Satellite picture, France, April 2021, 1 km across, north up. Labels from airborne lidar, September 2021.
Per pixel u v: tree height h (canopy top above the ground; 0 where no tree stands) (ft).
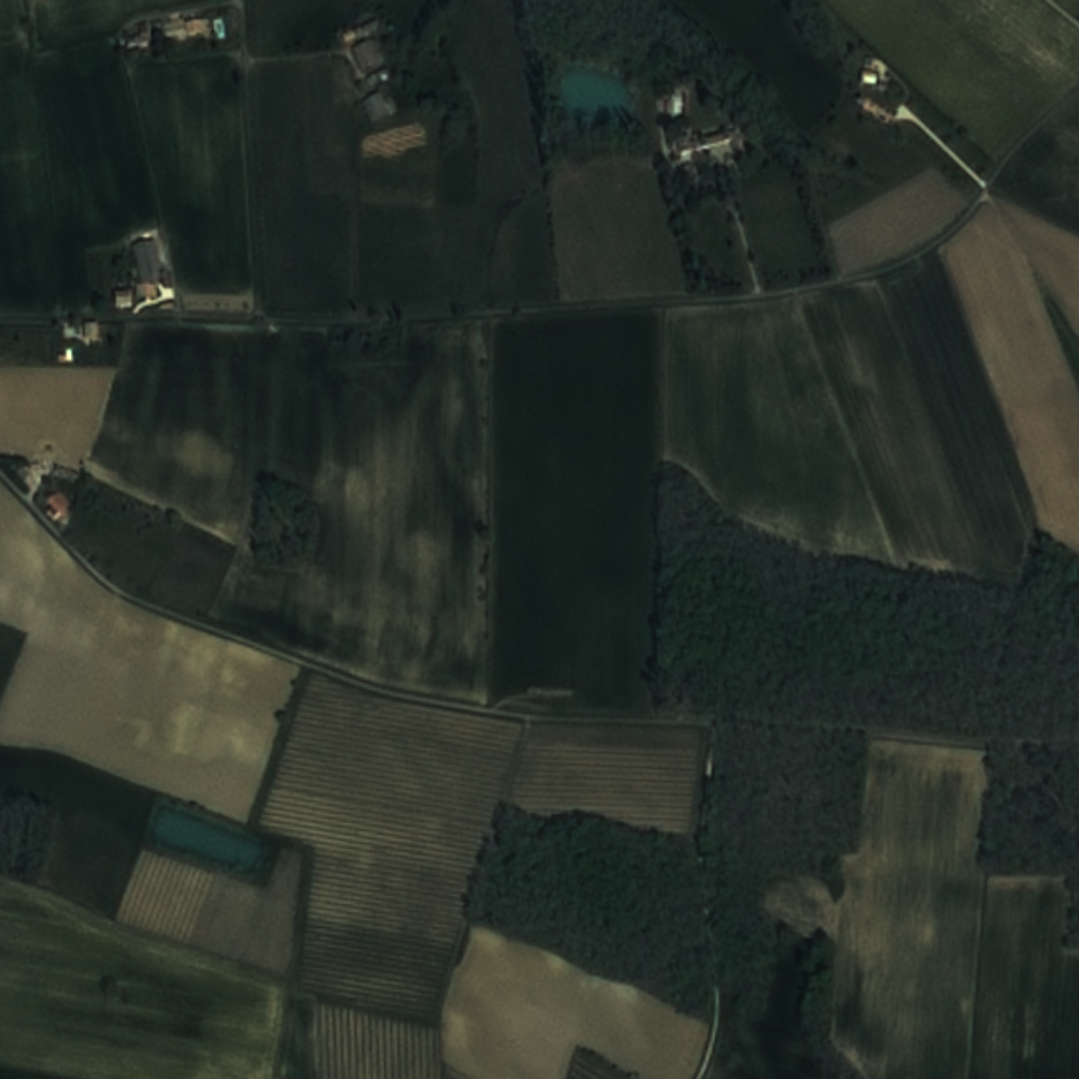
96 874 0
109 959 0
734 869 65
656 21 75
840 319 0
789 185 0
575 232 0
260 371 0
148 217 0
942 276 0
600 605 0
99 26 0
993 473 0
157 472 0
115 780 0
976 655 53
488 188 0
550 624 0
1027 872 57
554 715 0
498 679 0
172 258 0
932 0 0
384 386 0
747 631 78
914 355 0
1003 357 0
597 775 0
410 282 0
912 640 68
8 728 0
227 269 0
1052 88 0
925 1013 0
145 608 0
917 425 0
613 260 0
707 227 0
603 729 0
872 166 0
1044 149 0
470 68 0
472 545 0
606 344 0
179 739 0
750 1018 55
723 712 71
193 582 0
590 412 0
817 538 0
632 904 75
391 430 0
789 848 54
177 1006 0
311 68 0
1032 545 0
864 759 43
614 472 0
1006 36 0
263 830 0
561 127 39
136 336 0
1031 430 0
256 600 0
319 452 0
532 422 0
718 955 76
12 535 0
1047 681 45
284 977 0
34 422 0
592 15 47
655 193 0
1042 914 0
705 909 43
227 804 0
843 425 0
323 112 0
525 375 0
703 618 78
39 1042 0
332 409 0
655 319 0
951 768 0
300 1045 0
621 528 0
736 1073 0
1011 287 0
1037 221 0
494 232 0
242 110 0
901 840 0
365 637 0
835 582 66
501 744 0
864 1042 0
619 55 73
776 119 63
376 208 0
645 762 0
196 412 0
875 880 0
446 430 0
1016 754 59
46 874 29
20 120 0
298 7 0
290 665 0
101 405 0
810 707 58
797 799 29
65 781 0
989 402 0
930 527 0
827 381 0
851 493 0
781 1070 0
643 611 0
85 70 0
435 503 0
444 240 0
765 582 68
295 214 0
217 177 0
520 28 77
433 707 0
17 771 0
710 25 0
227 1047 0
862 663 67
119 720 0
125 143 0
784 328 0
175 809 28
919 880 0
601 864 83
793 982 0
